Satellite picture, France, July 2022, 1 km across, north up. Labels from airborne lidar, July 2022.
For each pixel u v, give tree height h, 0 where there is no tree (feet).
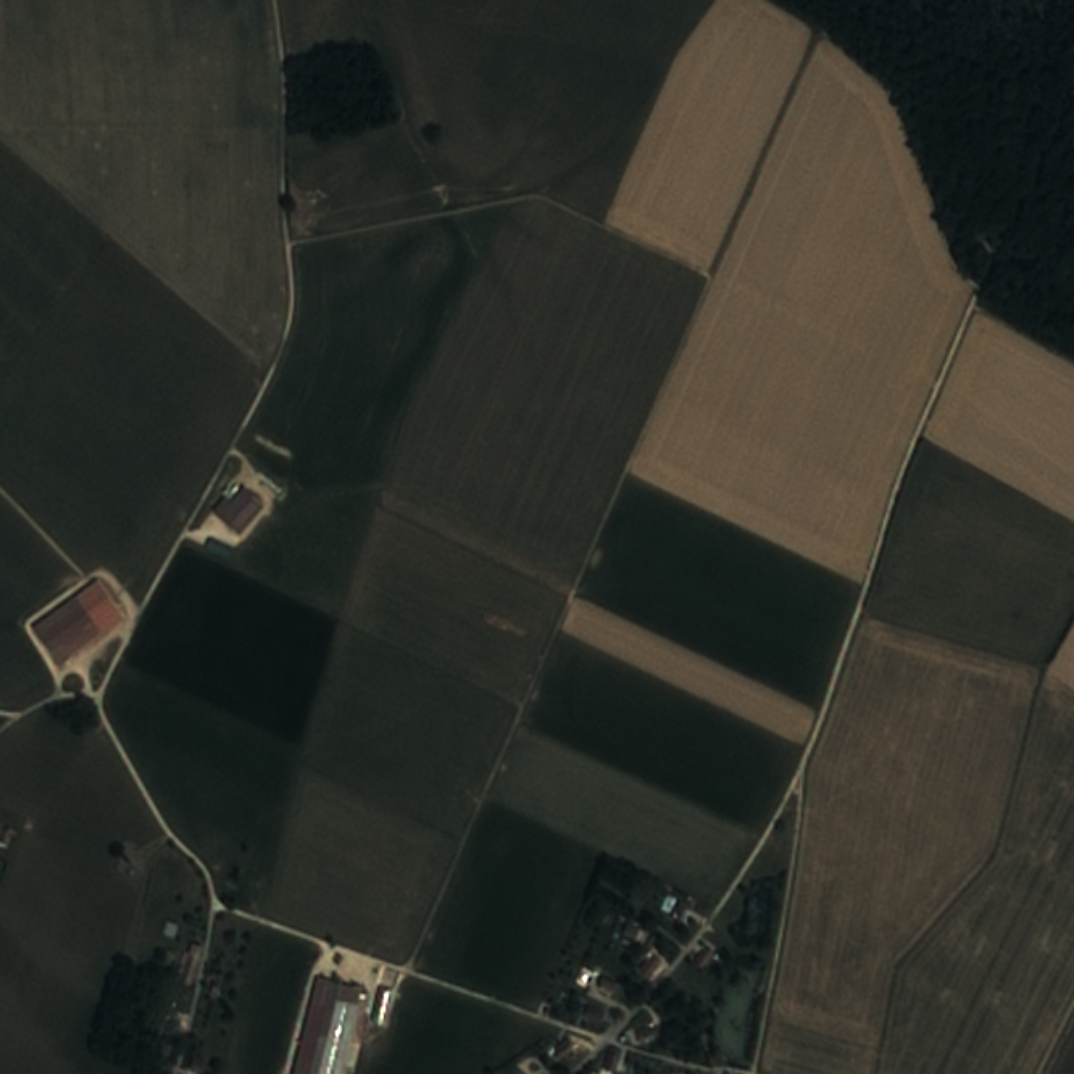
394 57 0
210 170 0
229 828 0
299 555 0
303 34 0
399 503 0
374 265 0
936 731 0
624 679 0
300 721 0
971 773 0
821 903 0
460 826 0
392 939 0
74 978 0
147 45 0
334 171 0
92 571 0
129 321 0
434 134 50
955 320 0
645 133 0
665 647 0
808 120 0
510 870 0
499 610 0
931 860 0
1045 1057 0
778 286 0
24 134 0
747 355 0
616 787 0
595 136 0
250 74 0
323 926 0
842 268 0
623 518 0
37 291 0
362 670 0
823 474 0
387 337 0
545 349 0
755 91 0
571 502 0
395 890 0
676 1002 67
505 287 0
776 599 0
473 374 0
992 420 0
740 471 0
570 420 0
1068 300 56
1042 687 0
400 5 0
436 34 0
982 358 0
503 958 0
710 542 0
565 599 0
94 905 0
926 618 0
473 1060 0
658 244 0
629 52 0
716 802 0
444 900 0
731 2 0
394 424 0
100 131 0
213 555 0
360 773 0
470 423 0
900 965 0
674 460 0
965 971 0
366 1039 0
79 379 0
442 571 0
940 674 0
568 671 0
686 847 0
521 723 0
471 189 0
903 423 0
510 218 0
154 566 0
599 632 0
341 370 0
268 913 0
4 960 0
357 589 0
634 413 0
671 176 0
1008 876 0
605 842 0
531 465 0
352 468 0
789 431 0
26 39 0
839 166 0
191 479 0
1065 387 0
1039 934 0
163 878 0
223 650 0
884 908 0
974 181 65
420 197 0
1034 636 0
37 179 0
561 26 0
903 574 0
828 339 0
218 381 0
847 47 43
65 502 0
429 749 0
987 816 0
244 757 0
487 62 0
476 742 0
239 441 0
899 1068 0
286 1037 0
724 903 0
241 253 0
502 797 0
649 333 0
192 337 0
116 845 0
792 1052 0
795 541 0
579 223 0
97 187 0
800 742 0
